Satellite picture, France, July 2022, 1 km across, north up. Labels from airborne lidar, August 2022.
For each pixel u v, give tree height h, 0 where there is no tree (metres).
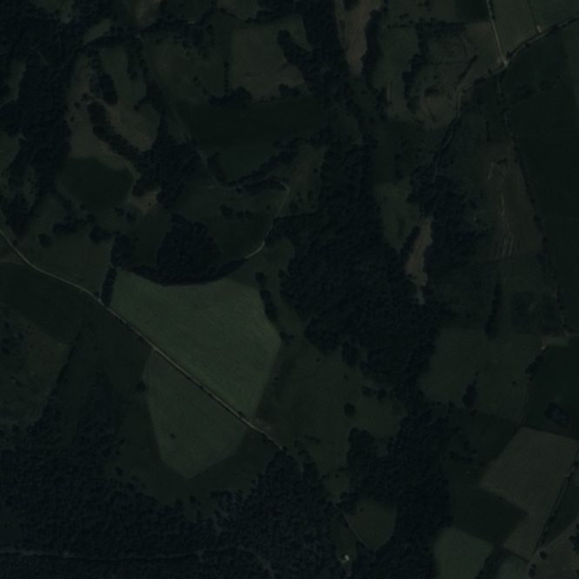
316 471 10
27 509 10
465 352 0
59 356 0
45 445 9
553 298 0
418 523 12
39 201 11
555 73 0
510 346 0
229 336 0
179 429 0
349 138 9
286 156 14
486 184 0
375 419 0
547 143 0
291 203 7
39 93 30
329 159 20
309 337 17
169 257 26
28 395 0
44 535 19
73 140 0
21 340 13
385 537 0
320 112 0
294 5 15
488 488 0
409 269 0
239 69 0
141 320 0
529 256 0
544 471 0
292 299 18
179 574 17
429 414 11
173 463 0
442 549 0
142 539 13
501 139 0
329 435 0
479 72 0
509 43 0
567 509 0
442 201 12
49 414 8
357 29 0
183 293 0
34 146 20
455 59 0
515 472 0
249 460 0
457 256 18
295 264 15
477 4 0
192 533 20
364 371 19
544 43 0
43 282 0
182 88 0
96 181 0
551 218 0
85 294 0
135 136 0
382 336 22
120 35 14
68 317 0
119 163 0
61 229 14
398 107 0
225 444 0
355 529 0
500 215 0
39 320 0
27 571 20
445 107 0
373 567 21
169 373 0
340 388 0
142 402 0
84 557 11
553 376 0
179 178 10
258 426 0
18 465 15
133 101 0
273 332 0
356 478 9
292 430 0
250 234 0
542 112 0
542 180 0
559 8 0
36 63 26
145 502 7
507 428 0
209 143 0
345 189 7
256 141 0
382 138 0
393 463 15
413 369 22
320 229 6
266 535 27
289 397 0
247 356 0
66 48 18
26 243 0
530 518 0
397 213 0
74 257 0
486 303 0
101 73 7
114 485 6
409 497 10
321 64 17
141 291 0
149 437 0
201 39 20
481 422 0
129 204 0
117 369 0
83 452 16
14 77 0
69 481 7
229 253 0
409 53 0
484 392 0
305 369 0
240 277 0
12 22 15
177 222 25
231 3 0
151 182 11
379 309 27
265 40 0
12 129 18
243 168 0
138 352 0
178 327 0
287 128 0
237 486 0
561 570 0
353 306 13
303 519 13
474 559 0
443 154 12
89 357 0
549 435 0
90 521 11
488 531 0
